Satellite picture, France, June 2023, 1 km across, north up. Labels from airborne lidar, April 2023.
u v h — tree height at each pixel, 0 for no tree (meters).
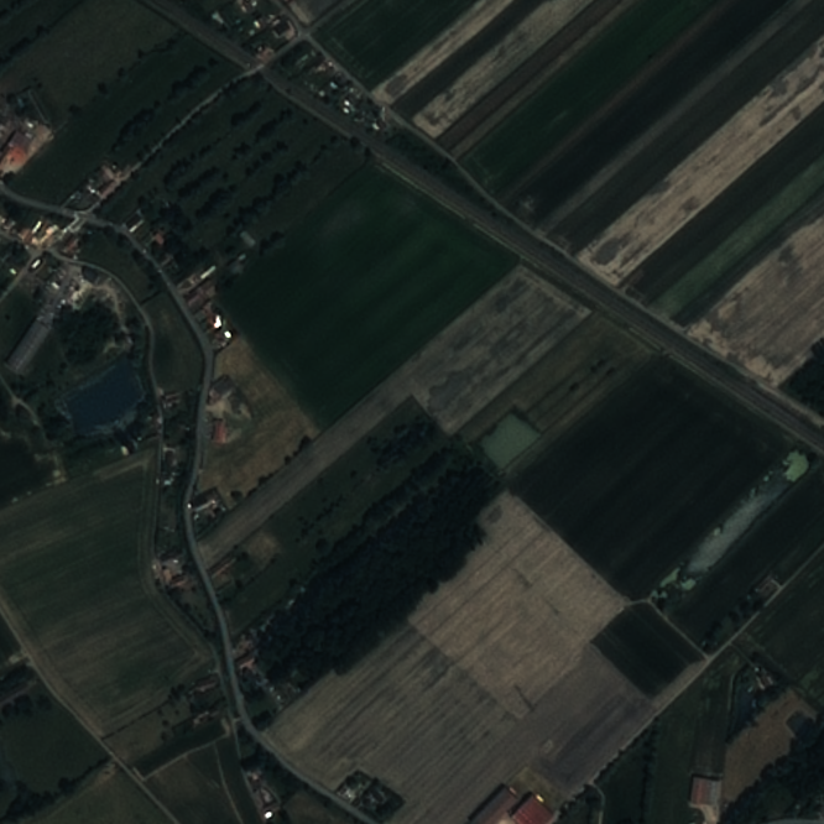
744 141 0
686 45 0
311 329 0
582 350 0
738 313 0
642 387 0
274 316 0
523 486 0
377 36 0
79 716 0
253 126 0
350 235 0
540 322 0
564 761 0
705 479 0
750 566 0
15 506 0
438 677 0
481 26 0
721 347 0
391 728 0
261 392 0
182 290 0
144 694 0
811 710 0
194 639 0
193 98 0
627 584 0
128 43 0
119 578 0
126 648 0
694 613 0
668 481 0
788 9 0
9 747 0
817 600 0
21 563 0
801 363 0
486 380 0
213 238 0
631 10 0
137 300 21
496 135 0
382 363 0
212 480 0
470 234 0
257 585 0
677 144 0
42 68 0
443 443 0
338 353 0
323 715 0
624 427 0
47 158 0
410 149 7
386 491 0
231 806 0
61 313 9
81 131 0
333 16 0
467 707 0
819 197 0
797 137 0
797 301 0
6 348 0
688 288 0
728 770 0
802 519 0
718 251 0
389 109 0
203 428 0
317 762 0
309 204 0
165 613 0
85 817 0
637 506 0
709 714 0
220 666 0
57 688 0
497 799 0
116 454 0
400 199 0
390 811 10
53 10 0
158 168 0
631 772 0
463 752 0
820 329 0
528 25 0
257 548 0
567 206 0
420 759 0
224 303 0
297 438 0
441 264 0
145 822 0
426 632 0
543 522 0
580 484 0
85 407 0
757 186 0
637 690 0
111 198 8
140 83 0
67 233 0
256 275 0
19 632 0
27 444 0
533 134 0
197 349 0
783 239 0
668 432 0
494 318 0
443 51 0
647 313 0
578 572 0
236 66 0
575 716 0
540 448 0
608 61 0
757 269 0
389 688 0
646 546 0
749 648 0
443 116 0
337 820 0
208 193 0
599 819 0
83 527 0
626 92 0
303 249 0
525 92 0
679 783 0
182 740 0
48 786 0
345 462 0
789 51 0
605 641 0
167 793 0
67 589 0
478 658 0
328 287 0
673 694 0
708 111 0
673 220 0
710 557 0
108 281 0
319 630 24
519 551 0
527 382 0
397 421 0
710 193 0
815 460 15
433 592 0
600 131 0
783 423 0
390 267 0
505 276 0
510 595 0
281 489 0
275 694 0
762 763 0
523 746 0
